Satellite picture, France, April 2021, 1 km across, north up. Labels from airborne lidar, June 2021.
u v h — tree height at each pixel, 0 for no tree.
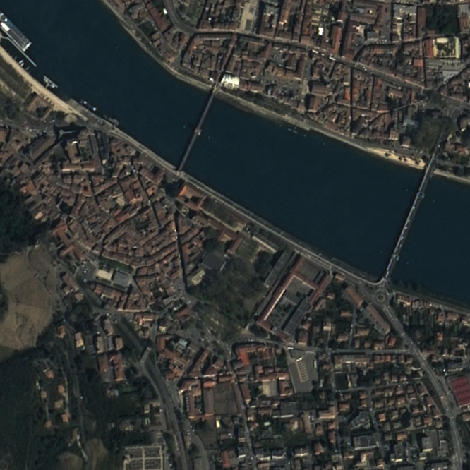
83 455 6
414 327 13
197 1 17
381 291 0
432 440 0
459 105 0
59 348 11
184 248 0
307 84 0
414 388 6
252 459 0
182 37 0
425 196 0
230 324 24
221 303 31
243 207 0
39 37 0
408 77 0
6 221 14
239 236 0
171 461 10
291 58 0
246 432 0
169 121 0
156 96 0
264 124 0
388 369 6
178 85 0
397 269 0
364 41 0
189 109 0
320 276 0
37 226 9
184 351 8
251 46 0
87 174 0
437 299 0
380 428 7
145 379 11
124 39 0
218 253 32
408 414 14
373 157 0
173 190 22
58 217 0
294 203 0
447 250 0
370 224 0
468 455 8
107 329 0
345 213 0
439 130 33
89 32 0
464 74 0
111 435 13
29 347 6
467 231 0
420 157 0
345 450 12
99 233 0
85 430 8
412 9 0
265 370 0
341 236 0
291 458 15
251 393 6
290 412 0
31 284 0
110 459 7
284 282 0
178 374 0
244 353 0
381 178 0
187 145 0
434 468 0
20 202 9
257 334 17
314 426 0
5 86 25
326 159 0
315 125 12
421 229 0
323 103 11
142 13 0
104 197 0
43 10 0
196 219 0
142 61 0
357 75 0
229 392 0
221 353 18
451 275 0
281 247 25
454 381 0
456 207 0
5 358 6
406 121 0
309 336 13
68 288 0
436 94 23
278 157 0
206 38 0
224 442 7
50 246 8
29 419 11
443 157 12
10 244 18
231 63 0
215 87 0
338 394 9
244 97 12
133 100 0
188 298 0
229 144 0
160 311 11
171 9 0
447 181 0
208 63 0
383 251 0
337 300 8
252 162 0
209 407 0
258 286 30
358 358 0
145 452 0
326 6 0
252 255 15
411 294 0
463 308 0
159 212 0
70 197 0
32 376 9
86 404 16
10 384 9
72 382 13
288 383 0
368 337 6
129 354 20
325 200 0
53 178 0
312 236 0
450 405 0
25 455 8
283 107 12
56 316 19
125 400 0
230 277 26
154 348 26
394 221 0
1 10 0
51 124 17
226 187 0
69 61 0
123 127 0
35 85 0
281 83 0
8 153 0
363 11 0
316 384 13
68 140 0
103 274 0
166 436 11
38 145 0
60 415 7
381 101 0
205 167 0
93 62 0
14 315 0
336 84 14
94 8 0
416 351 0
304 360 0
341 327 0
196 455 19
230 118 0
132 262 0
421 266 0
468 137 22
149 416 11
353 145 0
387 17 0
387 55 0
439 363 11
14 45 0
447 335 9
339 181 0
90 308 8
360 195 0
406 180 0
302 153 0
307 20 0
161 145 0
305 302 0
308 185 0
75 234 0
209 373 0
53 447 10
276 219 0
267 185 0
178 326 0
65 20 0
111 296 0
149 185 0
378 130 0
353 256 0
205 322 19
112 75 0
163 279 0
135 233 0
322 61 0
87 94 0
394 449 0
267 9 0
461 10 0
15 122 24
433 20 12
